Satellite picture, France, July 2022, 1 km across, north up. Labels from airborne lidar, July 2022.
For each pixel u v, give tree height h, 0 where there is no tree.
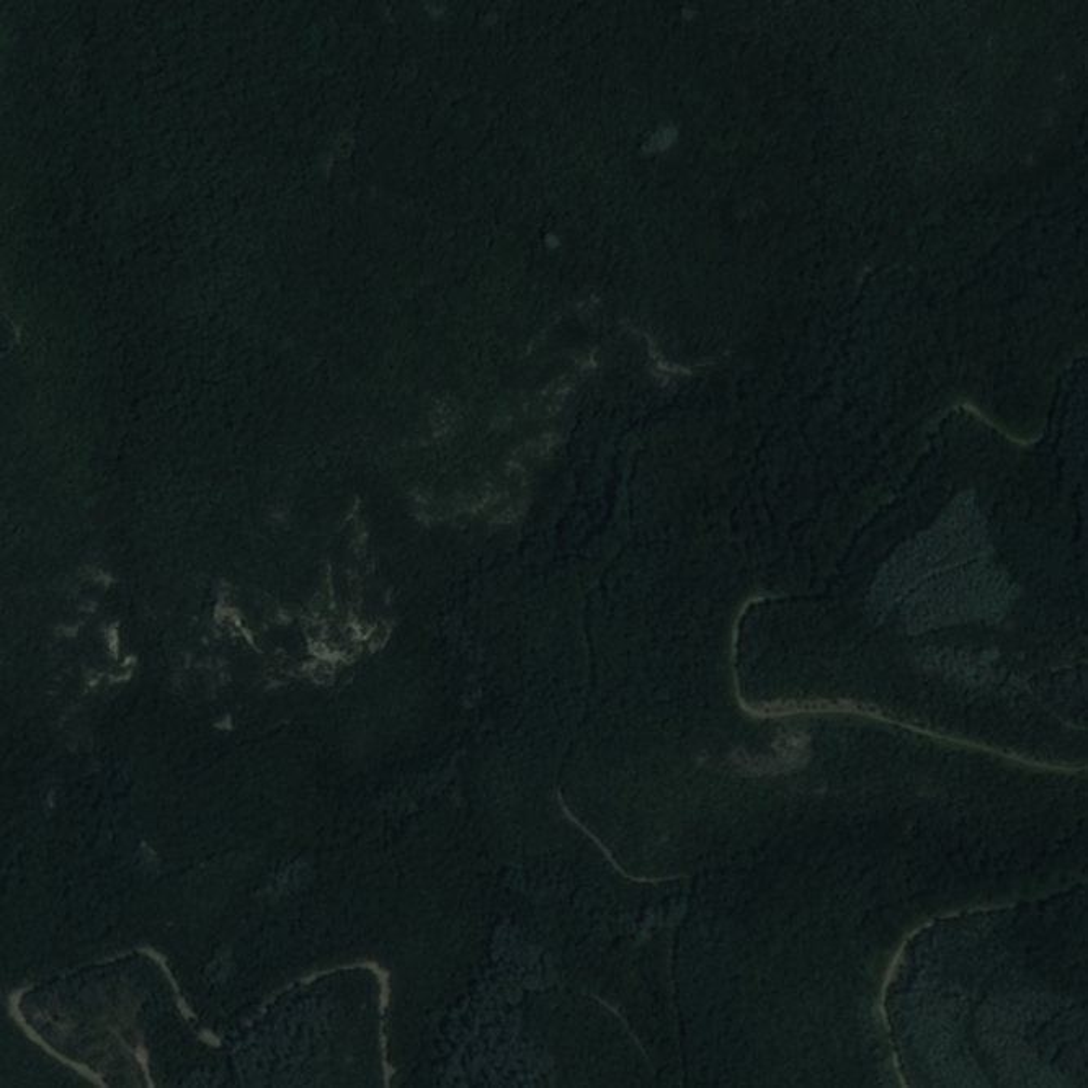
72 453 17
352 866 16
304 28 11
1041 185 17
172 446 11
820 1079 15
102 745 15
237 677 12
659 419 15
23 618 6
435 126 20
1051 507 13
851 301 12
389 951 10
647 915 35
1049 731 17
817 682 11
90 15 14
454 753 25
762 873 23
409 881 17
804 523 19
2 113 15
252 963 16
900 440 13
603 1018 11
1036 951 17
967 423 14
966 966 12
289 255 16
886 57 13
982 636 12
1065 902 18
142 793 11
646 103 18
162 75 16
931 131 16
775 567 19
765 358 24
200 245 18
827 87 21
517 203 20
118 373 18
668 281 18
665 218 20
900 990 7
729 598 14
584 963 17
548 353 7
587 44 17
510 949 29
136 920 14
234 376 20
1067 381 6
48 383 15
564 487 16
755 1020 16
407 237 19
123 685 7
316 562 7
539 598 14
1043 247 21
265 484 11
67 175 21
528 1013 10
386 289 17
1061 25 11
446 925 17
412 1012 12
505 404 6
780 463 22
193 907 12
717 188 19
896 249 25
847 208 19
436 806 21
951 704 12
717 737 9
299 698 12
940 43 13
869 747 16
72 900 17
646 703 16
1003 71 15
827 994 13
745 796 12
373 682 8
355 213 8
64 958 13
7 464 11
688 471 20
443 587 18
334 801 19
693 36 18
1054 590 18
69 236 25
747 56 17
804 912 16
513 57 14
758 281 18
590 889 22
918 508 17
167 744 17
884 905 12
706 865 21
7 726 11
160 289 18
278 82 14
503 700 13
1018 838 20
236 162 18
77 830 13
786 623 18
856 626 9
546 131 10
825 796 9
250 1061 31
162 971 14
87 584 7
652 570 16
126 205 17
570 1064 9
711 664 16
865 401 16
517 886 26
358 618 7
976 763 9
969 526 8
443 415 6
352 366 13
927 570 13
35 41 17
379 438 9
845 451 19
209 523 12
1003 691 21
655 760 13
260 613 9
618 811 12
